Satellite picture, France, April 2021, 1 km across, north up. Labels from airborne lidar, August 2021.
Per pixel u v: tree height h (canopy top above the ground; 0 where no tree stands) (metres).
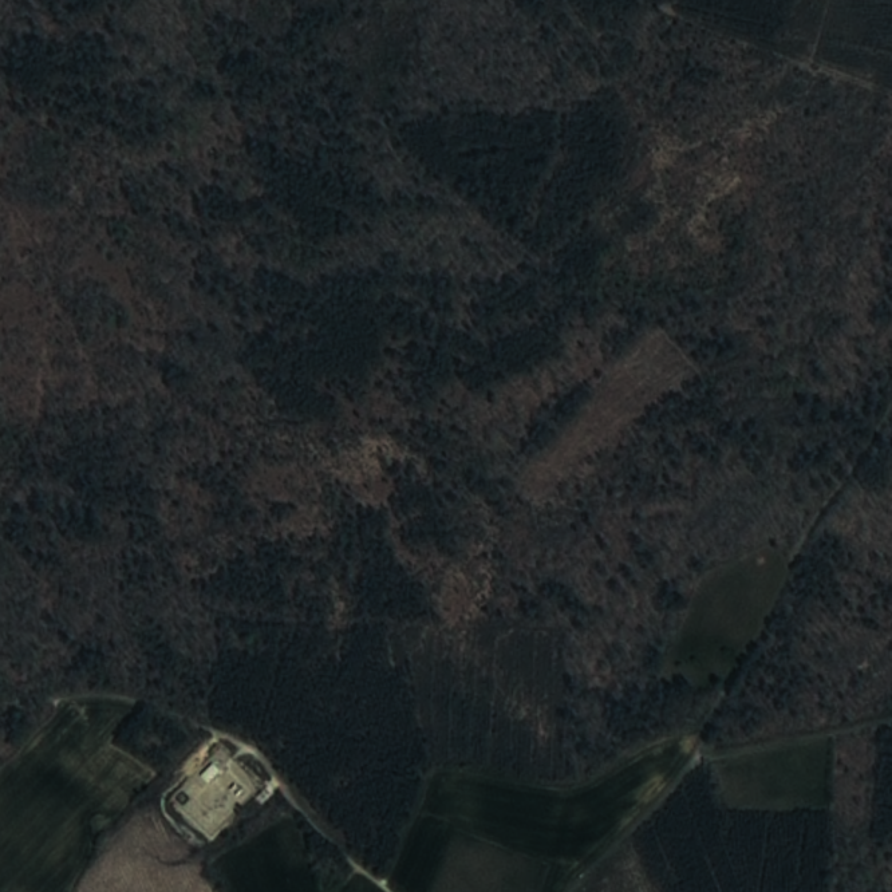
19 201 9
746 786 0
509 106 9
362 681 10
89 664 22
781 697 12
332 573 9
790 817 8
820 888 10
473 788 0
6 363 14
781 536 11
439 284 13
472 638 0
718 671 0
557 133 9
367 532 13
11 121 10
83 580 7
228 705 12
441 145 12
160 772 9
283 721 12
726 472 15
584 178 8
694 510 11
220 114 13
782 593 7
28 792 0
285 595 9
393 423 11
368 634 13
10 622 10
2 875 0
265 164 20
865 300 13
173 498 9
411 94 10
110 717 0
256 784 0
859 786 14
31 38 10
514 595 9
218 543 0
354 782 9
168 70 9
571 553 9
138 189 22
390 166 16
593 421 0
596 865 0
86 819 0
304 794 11
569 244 12
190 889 0
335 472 0
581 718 18
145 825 0
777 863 9
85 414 9
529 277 18
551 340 19
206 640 8
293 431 19
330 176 11
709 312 6
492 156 12
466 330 10
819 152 8
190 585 9
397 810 13
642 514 14
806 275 13
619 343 19
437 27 10
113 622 9
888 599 17
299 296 22
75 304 6
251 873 0
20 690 9
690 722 16
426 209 24
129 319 11
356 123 20
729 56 6
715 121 7
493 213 6
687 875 9
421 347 10
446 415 13
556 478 0
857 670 9
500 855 0
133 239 7
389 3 13
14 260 7
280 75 13
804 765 0
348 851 8
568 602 20
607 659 11
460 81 13
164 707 9
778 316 18
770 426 9
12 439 6
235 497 13
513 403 11
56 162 9
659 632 14
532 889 0
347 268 13
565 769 7
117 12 13
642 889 0
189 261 11
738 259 6
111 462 10
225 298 10
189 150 16
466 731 6
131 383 12
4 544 10
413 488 14
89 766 0
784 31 8
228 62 9
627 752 16
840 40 6
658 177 0
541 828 0
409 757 11
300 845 0
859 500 17
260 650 18
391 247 10
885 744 16
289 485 7
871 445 24
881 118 6
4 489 8
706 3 11
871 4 9
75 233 10
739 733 13
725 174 0
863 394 16
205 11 14
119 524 11
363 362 24
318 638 13
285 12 6
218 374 18
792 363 14
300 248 15
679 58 9
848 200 7
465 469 12
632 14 18
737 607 0
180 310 10
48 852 0
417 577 8
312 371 25
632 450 7
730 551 13
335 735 14
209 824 0
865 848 6
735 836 9
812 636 13
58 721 0
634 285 8
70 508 11
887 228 8
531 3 12
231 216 26
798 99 6
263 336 8
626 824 0
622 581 13
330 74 17
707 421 16
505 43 10
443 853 0
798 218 7
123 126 10
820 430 20
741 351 7
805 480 19
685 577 12
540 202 9
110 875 0
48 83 24
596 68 16
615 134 9
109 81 21
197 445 9
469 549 9
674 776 0
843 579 8
